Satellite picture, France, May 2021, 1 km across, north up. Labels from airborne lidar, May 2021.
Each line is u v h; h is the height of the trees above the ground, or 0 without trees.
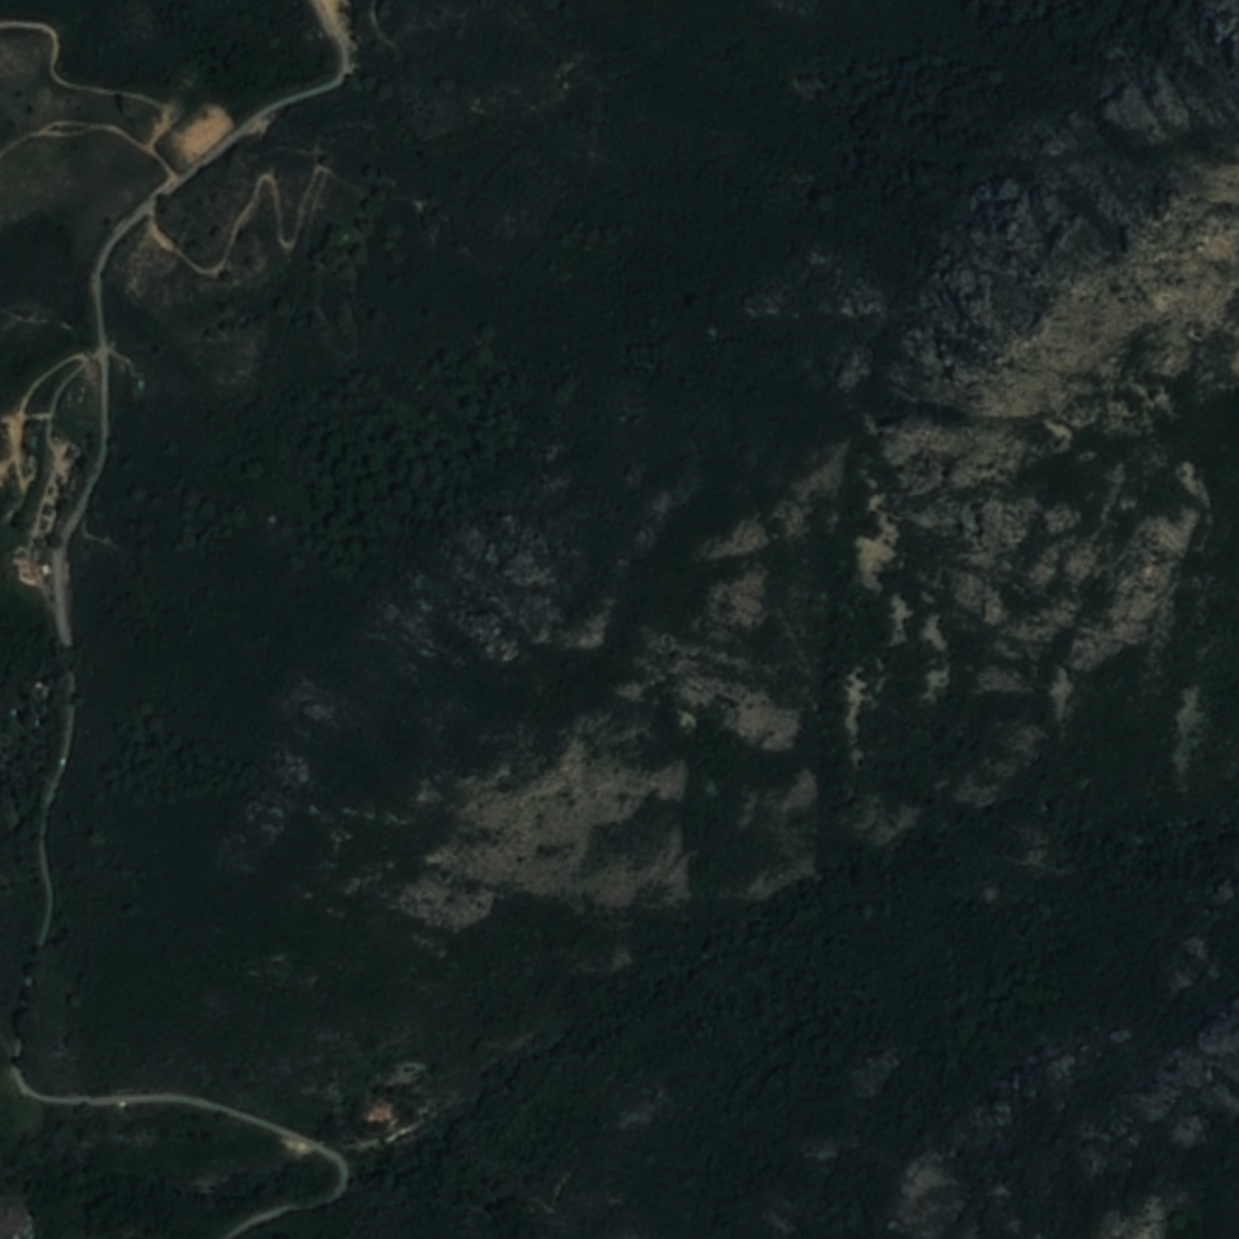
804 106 7
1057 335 0
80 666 7
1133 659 7
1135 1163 6
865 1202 9
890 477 11
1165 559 5
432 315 12
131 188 0
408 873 5
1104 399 7
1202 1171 7
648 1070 7
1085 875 7
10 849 7
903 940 7
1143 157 6
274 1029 9
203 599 6
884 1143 6
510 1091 14
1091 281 0
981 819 13
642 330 7
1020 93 5
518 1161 8
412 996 6
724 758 9
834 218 6
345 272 11
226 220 0
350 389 10
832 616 8
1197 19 7
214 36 12
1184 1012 8
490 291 6
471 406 16
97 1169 10
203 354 0
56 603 0
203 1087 8
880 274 6
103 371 0
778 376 5
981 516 17
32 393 0
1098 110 6
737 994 8
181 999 6
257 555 6
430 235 7
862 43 6
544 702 6
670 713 6
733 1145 8
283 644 6
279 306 13
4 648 7
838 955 10
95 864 8
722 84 5
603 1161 6
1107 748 7
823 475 0
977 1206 5
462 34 6
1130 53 9
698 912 7
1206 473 6
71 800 5
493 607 6
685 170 6
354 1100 9
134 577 8
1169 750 7
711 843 6
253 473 14
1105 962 7
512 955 8
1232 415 6
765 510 5
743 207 6
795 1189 9
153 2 6
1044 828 7
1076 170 0
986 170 6
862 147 6
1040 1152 6
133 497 10
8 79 0
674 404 6
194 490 10
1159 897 7
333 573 8
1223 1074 6
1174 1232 8
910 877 7
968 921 7
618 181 6
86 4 6
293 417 6
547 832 0
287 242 0
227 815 6
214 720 6
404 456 16
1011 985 13
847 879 12
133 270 0
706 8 5
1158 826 16
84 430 0
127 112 11
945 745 13
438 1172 12
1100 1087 7
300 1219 13
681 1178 9
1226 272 0
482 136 7
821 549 6
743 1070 6
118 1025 6
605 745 7
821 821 6
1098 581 6
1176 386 7
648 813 7
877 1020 8
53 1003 0
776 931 9
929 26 8
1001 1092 7
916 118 11
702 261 6
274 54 6
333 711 0
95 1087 6
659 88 8
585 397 7
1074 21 16
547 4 10
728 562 7
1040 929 8
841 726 9
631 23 6
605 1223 8
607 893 0
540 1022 6
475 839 5
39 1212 9
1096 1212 6
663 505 0
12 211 0
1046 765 8
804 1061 8
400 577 7
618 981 14
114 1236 6
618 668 6
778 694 6
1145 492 6
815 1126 6
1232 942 7
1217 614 6
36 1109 0
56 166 0
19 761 10
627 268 6
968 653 7
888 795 10
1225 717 7
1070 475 7
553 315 7
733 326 5
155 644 7
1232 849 17
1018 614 6
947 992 9
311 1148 0
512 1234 13
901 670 6
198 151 0
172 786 7
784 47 6
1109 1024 6
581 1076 6
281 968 6
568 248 6
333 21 0
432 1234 6
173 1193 15
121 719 6
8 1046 0
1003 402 0
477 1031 8
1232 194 0
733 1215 7
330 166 8
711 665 9
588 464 6
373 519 14
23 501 0
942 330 6
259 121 0
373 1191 6
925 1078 8
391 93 10
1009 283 0
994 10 18
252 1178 15
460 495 12
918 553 7
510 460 7
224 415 6
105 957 6
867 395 5
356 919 6
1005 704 6
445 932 6
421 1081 7
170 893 6
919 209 7
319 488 12
